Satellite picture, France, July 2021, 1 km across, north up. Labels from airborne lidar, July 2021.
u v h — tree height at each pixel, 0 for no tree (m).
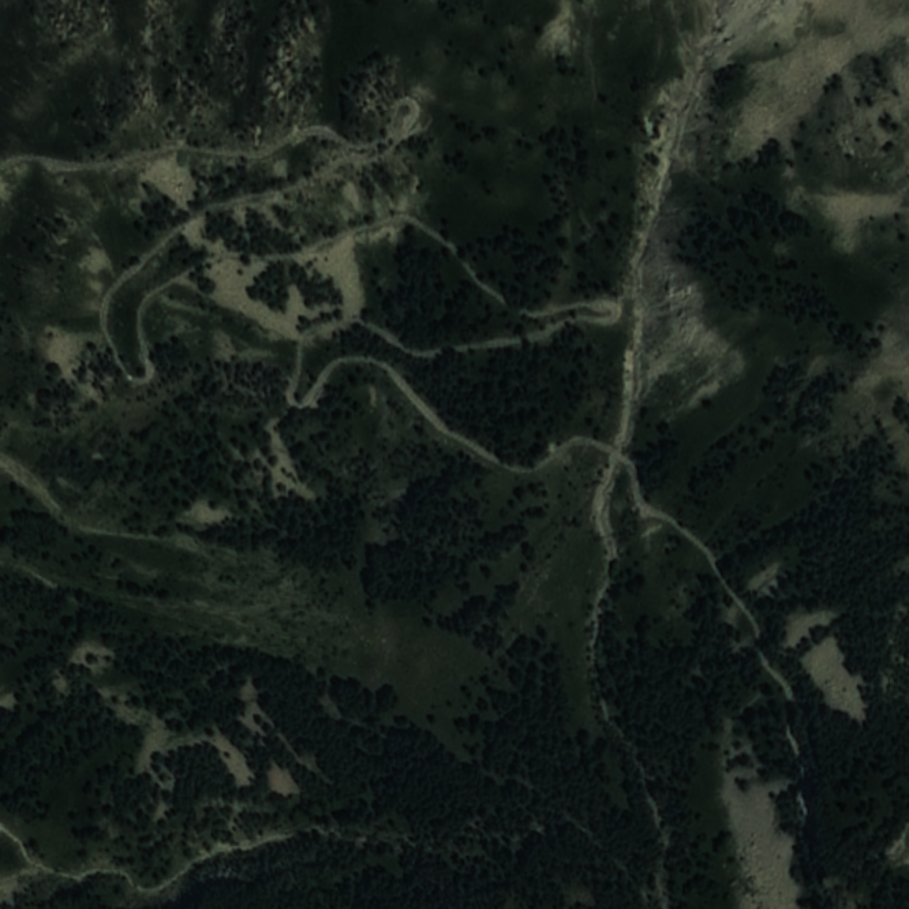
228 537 18
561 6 0
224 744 0
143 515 14
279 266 10
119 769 13
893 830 19
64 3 0
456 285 0
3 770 20
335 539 25
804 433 12
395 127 0
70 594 12
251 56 0
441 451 13
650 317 0
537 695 22
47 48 0
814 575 11
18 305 0
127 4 0
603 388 8
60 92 0
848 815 0
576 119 0
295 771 18
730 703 17
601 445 0
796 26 0
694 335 0
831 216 0
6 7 0
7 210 0
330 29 0
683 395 0
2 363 0
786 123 0
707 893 15
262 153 0
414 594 21
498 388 9
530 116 0
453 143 0
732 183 0
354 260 0
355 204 0
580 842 25
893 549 10
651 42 0
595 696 6
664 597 0
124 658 12
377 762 26
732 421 0
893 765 19
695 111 0
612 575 11
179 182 0
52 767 22
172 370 11
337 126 0
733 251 8
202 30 0
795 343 0
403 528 9
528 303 16
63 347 0
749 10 0
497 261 0
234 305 0
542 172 0
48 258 9
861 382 0
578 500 0
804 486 0
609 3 0
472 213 0
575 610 0
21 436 0
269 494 16
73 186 0
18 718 21
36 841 14
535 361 14
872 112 0
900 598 7
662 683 30
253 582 0
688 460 0
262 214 7
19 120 0
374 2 15
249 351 0
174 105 0
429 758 19
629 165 0
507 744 19
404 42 0
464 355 16
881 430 8
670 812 14
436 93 0
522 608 0
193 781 12
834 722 22
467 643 0
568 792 29
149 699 17
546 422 8
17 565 0
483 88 0
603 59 0
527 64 0
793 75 0
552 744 20
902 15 0
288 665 26
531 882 29
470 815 23
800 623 0
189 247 17
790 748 7
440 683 0
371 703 27
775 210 20
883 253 0
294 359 0
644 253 0
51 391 16
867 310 0
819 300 13
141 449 0
